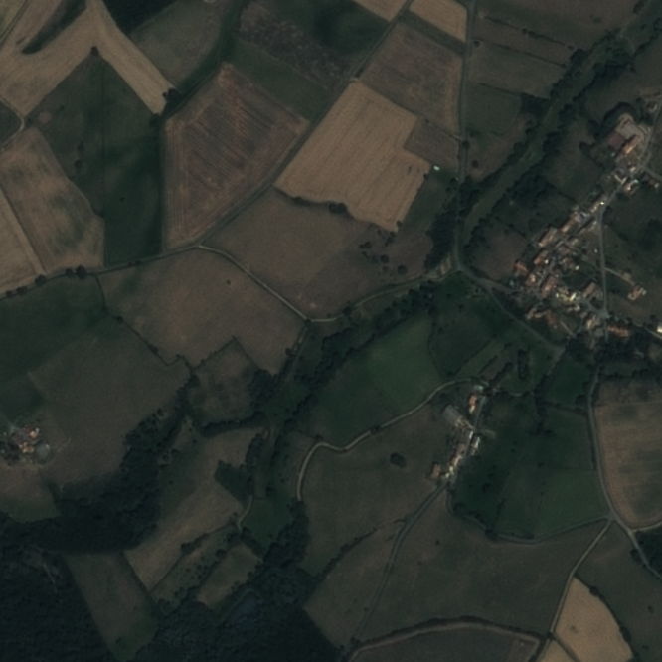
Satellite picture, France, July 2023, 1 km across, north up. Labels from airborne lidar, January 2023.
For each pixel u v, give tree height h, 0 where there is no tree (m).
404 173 0
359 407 0
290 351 11
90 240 0
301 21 0
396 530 0
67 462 0
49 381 0
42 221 0
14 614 18
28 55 0
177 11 0
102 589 0
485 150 0
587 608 0
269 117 0
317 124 0
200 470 0
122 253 0
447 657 0
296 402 0
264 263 0
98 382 0
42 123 0
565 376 0
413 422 0
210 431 16
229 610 7
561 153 7
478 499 0
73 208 0
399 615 0
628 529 0
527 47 0
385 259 12
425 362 0
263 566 11
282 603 6
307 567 0
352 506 0
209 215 0
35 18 0
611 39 12
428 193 0
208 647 22
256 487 14
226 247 0
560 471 0
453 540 0
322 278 0
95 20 0
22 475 0
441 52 0
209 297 0
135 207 0
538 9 0
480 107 0
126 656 0
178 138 0
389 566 0
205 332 0
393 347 0
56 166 0
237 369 0
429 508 0
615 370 0
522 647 0
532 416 0
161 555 0
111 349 0
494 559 0
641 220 0
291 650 6
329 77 0
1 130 0
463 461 0
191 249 0
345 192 0
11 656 17
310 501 0
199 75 0
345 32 0
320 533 0
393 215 0
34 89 0
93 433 0
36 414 0
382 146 0
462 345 0
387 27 0
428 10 0
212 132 0
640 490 0
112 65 0
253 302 0
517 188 8
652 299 0
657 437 0
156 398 0
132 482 21
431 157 0
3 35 0
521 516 0
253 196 0
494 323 0
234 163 0
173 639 19
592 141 0
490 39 0
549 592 0
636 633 0
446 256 16
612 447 0
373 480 0
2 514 8
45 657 18
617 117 14
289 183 0
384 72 0
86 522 6
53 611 14
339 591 0
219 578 0
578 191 0
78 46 0
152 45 0
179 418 6
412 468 0
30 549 7
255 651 18
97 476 0
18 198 0
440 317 15
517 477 0
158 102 0
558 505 0
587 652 0
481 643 0
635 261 0
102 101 0
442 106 0
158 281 0
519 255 0
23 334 0
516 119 0
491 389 7
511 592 0
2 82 0
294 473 0
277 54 0
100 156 0
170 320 0
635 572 0
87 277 12
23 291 12
